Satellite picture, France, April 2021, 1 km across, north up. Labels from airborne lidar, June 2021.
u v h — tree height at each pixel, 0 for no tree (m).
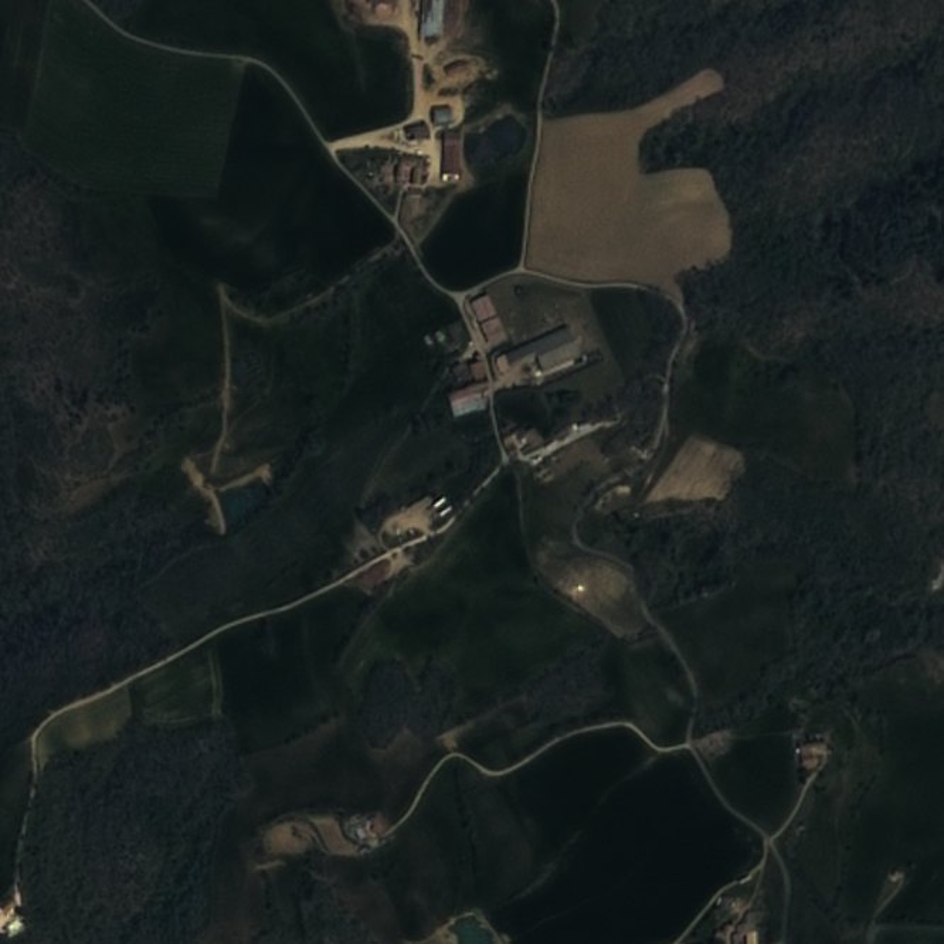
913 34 12
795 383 14
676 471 0
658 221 0
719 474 0
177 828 12
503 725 0
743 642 0
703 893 0
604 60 16
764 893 0
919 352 15
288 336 0
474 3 0
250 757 10
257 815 0
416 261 7
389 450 0
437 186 0
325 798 0
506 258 0
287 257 0
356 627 8
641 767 0
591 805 0
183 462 0
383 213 0
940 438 12
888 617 18
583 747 0
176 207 0
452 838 0
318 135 0
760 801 0
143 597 0
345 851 0
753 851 0
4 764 0
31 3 0
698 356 0
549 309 0
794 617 9
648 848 0
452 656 0
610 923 0
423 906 0
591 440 0
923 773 0
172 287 0
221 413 0
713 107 5
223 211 0
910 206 14
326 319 8
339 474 0
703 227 0
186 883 13
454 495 0
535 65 0
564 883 0
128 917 7
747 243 8
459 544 0
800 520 16
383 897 0
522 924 0
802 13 15
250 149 0
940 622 11
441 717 13
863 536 8
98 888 10
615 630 0
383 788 0
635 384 13
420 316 0
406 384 0
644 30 15
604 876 0
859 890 0
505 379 0
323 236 0
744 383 0
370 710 17
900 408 15
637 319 0
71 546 9
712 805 0
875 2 12
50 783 9
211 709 0
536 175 0
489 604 0
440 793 0
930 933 0
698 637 0
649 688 0
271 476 0
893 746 0
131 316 0
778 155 13
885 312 10
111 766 10
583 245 0
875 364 16
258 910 0
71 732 0
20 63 0
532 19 0
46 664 10
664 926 0
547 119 0
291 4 0
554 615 0
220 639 0
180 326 0
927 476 13
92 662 6
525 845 0
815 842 0
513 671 0
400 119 0
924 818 0
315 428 7
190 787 17
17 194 6
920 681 0
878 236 14
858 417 7
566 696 12
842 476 0
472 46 0
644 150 13
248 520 7
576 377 0
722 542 38
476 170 0
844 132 10
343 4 0
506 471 9
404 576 0
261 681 0
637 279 0
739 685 0
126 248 0
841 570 13
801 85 14
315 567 0
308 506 0
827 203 16
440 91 0
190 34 0
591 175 0
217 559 0
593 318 0
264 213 0
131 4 13
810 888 6
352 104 0
